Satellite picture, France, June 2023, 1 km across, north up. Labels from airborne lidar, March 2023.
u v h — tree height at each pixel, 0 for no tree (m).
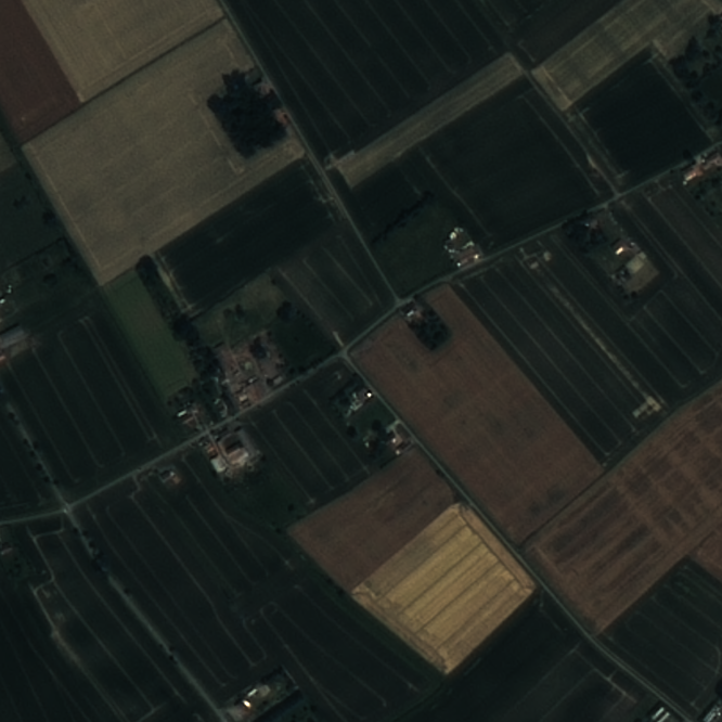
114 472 0
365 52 0
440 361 0
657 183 0
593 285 0
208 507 0
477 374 0
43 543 0
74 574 0
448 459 0
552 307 0
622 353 0
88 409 0
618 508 0
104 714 0
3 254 0
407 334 0
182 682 0
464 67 0
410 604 0
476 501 0
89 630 0
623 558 0
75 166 0
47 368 0
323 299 0
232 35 0
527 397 0
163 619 0
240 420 0
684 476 0
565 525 0
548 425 0
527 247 0
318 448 0
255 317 0
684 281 0
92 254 0
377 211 0
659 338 0
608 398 0
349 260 0
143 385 0
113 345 0
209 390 12
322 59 0
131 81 0
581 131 0
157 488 0
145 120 0
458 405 0
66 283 0
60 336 0
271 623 0
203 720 0
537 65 0
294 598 0
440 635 0
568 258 0
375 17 0
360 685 0
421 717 0
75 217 0
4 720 0
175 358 0
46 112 0
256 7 0
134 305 0
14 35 0
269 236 0
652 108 0
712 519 0
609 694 0
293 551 0
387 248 0
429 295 0
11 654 0
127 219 0
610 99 0
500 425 0
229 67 0
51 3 0
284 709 11
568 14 0
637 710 0
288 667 0
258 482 0
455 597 0
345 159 0
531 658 0
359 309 0
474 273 0
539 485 0
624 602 0
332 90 0
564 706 0
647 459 0
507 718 0
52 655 0
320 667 0
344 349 0
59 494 0
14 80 0
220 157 0
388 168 0
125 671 0
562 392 0
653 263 0
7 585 0
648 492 0
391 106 0
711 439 0
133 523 0
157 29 0
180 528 0
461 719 0
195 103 0
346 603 0
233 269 0
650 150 0
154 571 0
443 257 0
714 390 0
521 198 0
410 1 0
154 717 0
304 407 0
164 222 0
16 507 0
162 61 0
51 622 0
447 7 0
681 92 0
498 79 0
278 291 0
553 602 0
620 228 0
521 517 0
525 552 0
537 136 0
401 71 0
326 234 0
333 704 0
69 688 0
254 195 0
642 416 0
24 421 0
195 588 0
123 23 0
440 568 0
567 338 0
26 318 0
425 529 0
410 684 0
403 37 0
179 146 0
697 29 0
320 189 0
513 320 0
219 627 0
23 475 0
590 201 0
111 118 0
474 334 0
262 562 0
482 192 0
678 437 0
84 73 0
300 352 0
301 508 0
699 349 0
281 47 0
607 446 0
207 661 0
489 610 0
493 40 0
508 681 0
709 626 0
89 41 0
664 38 0
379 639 0
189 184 0
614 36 0
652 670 0
